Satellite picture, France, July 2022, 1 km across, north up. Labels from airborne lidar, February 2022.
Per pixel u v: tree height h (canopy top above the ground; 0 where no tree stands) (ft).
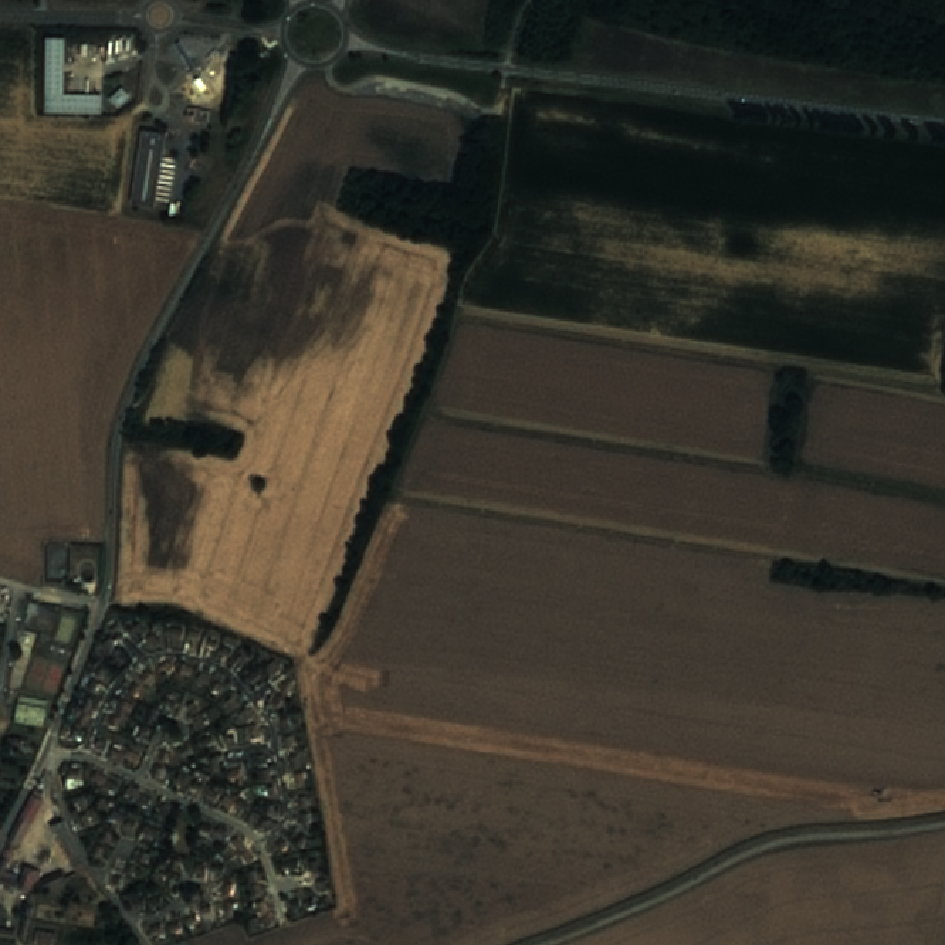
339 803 0
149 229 0
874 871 0
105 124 0
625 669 0
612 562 0
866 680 0
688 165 0
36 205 0
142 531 0
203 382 0
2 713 0
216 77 0
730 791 0
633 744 0
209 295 0
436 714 0
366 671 0
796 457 0
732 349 0
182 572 0
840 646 0
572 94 0
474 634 0
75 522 0
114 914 17
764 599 0
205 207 0
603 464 0
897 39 45
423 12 0
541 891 0
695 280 0
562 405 0
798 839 0
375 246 0
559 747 0
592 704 0
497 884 0
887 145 0
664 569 0
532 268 0
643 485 0
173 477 0
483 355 0
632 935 0
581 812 0
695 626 0
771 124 0
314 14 0
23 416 0
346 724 0
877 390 0
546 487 0
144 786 0
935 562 0
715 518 0
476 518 0
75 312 0
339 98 0
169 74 0
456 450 0
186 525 0
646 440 0
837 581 21
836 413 0
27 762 0
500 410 0
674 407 0
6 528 0
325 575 0
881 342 0
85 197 0
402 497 0
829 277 0
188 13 0
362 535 47
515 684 0
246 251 0
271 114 0
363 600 0
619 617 0
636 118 0
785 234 0
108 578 0
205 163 0
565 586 0
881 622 0
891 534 0
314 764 0
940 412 0
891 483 0
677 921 0
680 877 0
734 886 0
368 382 0
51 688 0
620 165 0
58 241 0
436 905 0
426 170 0
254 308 0
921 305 0
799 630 0
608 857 0
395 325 0
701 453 0
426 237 52
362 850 0
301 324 0
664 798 0
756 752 0
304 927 0
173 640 0
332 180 0
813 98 0
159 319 0
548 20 51
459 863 0
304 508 0
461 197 75
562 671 0
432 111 0
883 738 0
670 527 0
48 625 0
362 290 0
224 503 0
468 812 0
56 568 0
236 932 0
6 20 0
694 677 0
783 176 0
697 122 0
